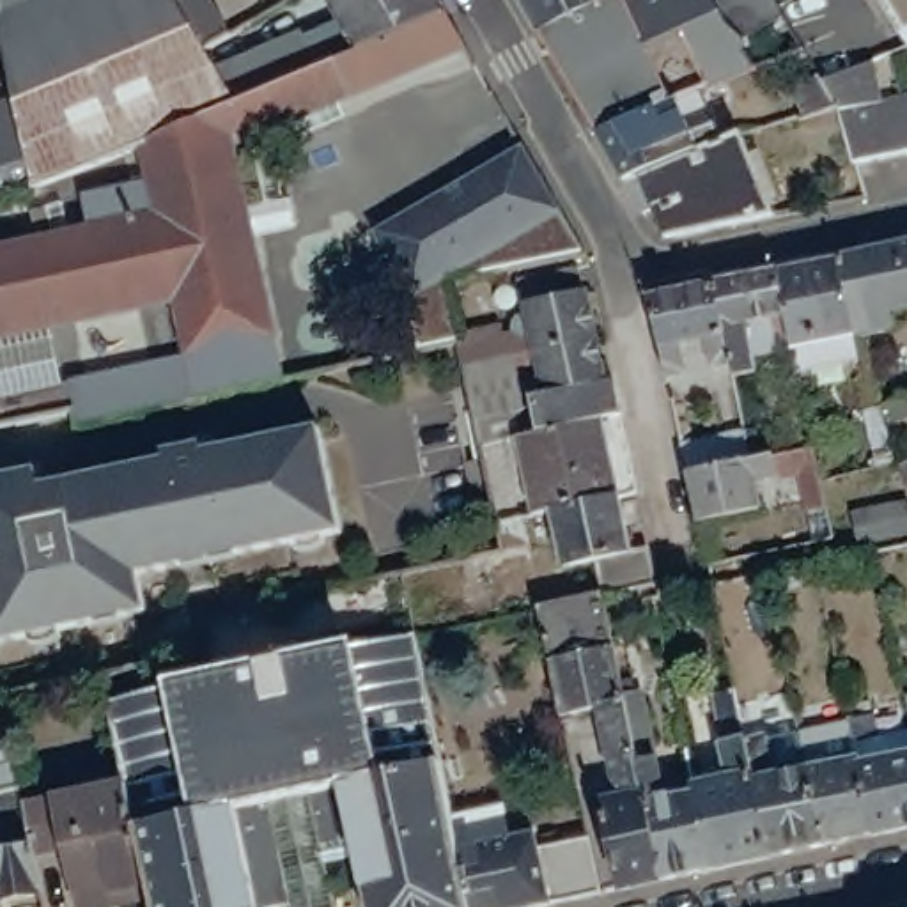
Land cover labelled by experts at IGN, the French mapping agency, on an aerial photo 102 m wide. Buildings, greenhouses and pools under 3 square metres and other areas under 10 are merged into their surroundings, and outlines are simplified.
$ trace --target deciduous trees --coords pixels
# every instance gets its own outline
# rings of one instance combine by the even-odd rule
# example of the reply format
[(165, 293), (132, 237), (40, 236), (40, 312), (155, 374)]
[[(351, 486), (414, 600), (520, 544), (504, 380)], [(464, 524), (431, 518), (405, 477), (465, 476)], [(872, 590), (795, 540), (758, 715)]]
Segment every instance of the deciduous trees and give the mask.
[(755, 85), (765, 96), (787, 92), (815, 78), (811, 60), (797, 57), (790, 32), (776, 32), (772, 25), (765, 25), (758, 35), (748, 39), (748, 60), (755, 64), (755, 71)]
[(142, 652), (142, 659), (135, 659), (138, 673), (142, 684), (156, 684), (156, 673), (177, 666), (174, 645), (156, 645)]
[(0, 687), (0, 748), (14, 772), (14, 787), (25, 787), (32, 787), (43, 772), (43, 744), (32, 733), (32, 723), (39, 723), (43, 716), (78, 723), (89, 712), (96, 726), (110, 730), (113, 677), (110, 670), (74, 670), (67, 677), (57, 677), (53, 684)]
[(496, 790), (496, 801), (503, 804), (503, 811), (521, 811), (531, 826), (574, 818), (585, 804), (585, 790), (581, 769), (567, 769), (563, 730), (556, 709), (535, 723), (528, 748), (521, 748), (510, 762), (492, 769), (489, 790)]
[(879, 549), (868, 546), (822, 549), (818, 556), (787, 560), (779, 567), (762, 570), (758, 578), (748, 578), (751, 627), (769, 645), (772, 666), (783, 680), (783, 694), (783, 702), (790, 705), (790, 719), (804, 716), (794, 634), (797, 599), (787, 588), (787, 578), (801, 578), (811, 588), (872, 592), (879, 609), (879, 648), (886, 655), (893, 687), (900, 687), (907, 687), (907, 588), (900, 578), (886, 574)]
[(847, 188), (840, 177), (840, 163), (818, 156), (808, 170), (790, 174), (787, 198), (779, 198), (776, 209), (808, 213), (840, 198), (840, 191)]
[(0, 184), (0, 216), (28, 213), (39, 191), (32, 191), (32, 184), (21, 177)]
[(344, 574), (329, 585), (329, 592), (368, 592), (379, 578), (379, 574), (379, 553), (372, 553), (368, 542), (340, 549), (337, 563)]
[(464, 379), (464, 368), (450, 347), (415, 347), (415, 322), (422, 315), (415, 294), (418, 283), (415, 266), (390, 266), (368, 266), (365, 280), (347, 287), (344, 294), (333, 294), (322, 312), (326, 329), (337, 337), (337, 351), (347, 351), (347, 358), (368, 358), (365, 368), (351, 368), (354, 390), (365, 393), (368, 404), (379, 411), (393, 411), (407, 400), (439, 400)]
[(524, 663), (542, 655), (549, 652), (549, 645), (542, 634), (524, 631), (521, 620), (510, 613), (468, 624), (464, 638), (471, 638), (475, 645), (478, 645), (485, 634), (500, 634), (507, 641), (507, 655), (496, 670), (503, 687), (521, 687)]
[(790, 347), (772, 347), (769, 354), (758, 354), (755, 372), (740, 376), (737, 383), (744, 422), (748, 436), (765, 436), (769, 454), (811, 446), (815, 457), (833, 461), (829, 475), (850, 475), (872, 464), (868, 432), (857, 415), (836, 404), (829, 400), (829, 390), (822, 383), (815, 383), (815, 376), (797, 368)]
[(670, 578), (663, 588), (655, 585), (634, 595), (624, 585), (616, 585), (613, 592), (595, 592), (595, 606), (609, 613), (609, 624), (602, 627), (609, 645), (648, 641), (652, 655), (659, 659), (673, 634), (687, 631), (691, 616), (709, 624), (719, 613), (709, 570), (694, 556), (687, 556), (677, 578)]
[(191, 592), (184, 570), (170, 570), (163, 578), (163, 592), (156, 595), (159, 606), (184, 606)]
[(500, 521), (492, 496), (485, 496), (468, 503), (461, 514), (446, 517), (436, 528), (422, 528), (411, 539), (397, 535), (393, 553), (404, 553), (407, 567), (496, 549)]
[(266, 174), (276, 181), (291, 181), (298, 170), (308, 170), (308, 117), (280, 106), (248, 113), (241, 120), (237, 149), (248, 159), (259, 159)]
[(691, 694), (712, 698), (716, 684), (719, 677), (712, 659), (702, 655), (680, 655), (670, 666), (666, 691), (655, 687), (648, 694), (652, 716), (666, 705), (687, 705)]
[(287, 599), (280, 581), (301, 574), (305, 567), (259, 567), (252, 574), (262, 585), (262, 599)]
[(864, 351), (872, 358), (872, 376), (879, 386), (907, 372), (907, 326), (889, 319), (889, 329), (868, 340)]
[(857, 702), (864, 698), (861, 663), (854, 655), (829, 655), (826, 684), (836, 698), (836, 709), (857, 709)]

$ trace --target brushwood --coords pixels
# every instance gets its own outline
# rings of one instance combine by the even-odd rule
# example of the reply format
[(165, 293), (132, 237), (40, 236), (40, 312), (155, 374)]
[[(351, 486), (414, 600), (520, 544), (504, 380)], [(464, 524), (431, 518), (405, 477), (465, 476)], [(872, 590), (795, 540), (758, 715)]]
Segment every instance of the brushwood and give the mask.
[(691, 616), (687, 631), (705, 638), (702, 655), (712, 659), (719, 677), (716, 684), (730, 691), (733, 680), (719, 613), (709, 624)]
[(655, 748), (666, 744), (670, 755), (691, 758), (691, 751), (702, 744), (694, 740), (687, 705), (666, 705), (652, 716), (648, 740)]
[(0, 648), (0, 687), (53, 684), (57, 677), (67, 677), (74, 670), (110, 670), (110, 645), (85, 631), (64, 634), (57, 648), (39, 655), (25, 655), (21, 645)]
[(198, 404), (237, 393), (262, 393), (273, 386), (301, 386), (329, 397), (347, 397), (354, 404), (368, 404), (365, 393), (354, 390), (351, 368), (365, 368), (368, 358), (347, 358), (329, 368), (283, 372), (216, 383), (209, 390), (191, 393), (191, 400)]
[(702, 517), (687, 528), (687, 542), (680, 546), (687, 556), (694, 556), (709, 570), (726, 549), (726, 535), (712, 517)]
[(135, 404), (96, 411), (71, 407), (57, 411), (74, 432), (142, 422), (145, 415)]
[(542, 634), (542, 620), (535, 613), (539, 602), (524, 592), (492, 609), (468, 609), (461, 599), (450, 599), (429, 578), (390, 581), (386, 588), (386, 613), (400, 631), (415, 631), (422, 638), (425, 663), (436, 670), (461, 670), (464, 655), (475, 645), (471, 638), (464, 638), (468, 624), (510, 613), (521, 620), (524, 631)]

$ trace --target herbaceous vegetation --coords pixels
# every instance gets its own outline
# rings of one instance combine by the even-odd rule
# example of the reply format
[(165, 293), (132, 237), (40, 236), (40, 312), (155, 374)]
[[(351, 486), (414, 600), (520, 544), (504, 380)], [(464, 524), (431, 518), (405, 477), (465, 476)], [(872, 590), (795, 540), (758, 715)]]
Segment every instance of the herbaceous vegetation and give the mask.
[(822, 549), (868, 546), (879, 549), (886, 574), (900, 578), (907, 588), (907, 531), (889, 539), (857, 539), (854, 524), (864, 521), (868, 507), (907, 503), (907, 457), (889, 457), (886, 468), (872, 464), (850, 475), (829, 475), (833, 461), (815, 457), (811, 475), (822, 492), (818, 507), (797, 496), (790, 503), (765, 503), (744, 514), (712, 517), (726, 535), (726, 549), (709, 570), (719, 613), (733, 680), (730, 691), (737, 716), (758, 694), (783, 694), (783, 680), (772, 666), (769, 645), (751, 627), (748, 578), (758, 578), (762, 570), (779, 567), (787, 560), (818, 556)]
[(78, 723), (43, 716), (39, 723), (32, 723), (32, 733), (43, 744), (43, 772), (32, 787), (25, 787), (28, 797), (39, 797), (57, 787), (113, 776), (117, 762), (110, 748), (110, 730), (96, 726), (89, 712)]
[(535, 723), (556, 709), (553, 702), (542, 702), (542, 655), (524, 663), (521, 687), (503, 687), (496, 670), (507, 655), (507, 641), (500, 634), (485, 634), (478, 645), (485, 694), (478, 702), (454, 702), (450, 694), (432, 698), (439, 744), (454, 740), (461, 748), (464, 765), (464, 779), (457, 783), (461, 790), (450, 797), (454, 808), (478, 808), (496, 801), (496, 790), (489, 790), (492, 769), (510, 762), (521, 748), (528, 748)]
[(879, 386), (872, 376), (872, 358), (864, 351), (868, 340), (857, 344), (857, 358), (847, 368), (847, 379), (840, 383), (836, 404), (857, 415), (864, 407), (879, 407), (886, 429), (893, 422), (907, 425), (907, 372)]
[(864, 698), (857, 702), (857, 709), (872, 709), (872, 719), (903, 719), (900, 687), (893, 687), (886, 655), (879, 648), (879, 609), (872, 592), (811, 588), (801, 578), (787, 578), (787, 588), (797, 599), (794, 634), (804, 716), (836, 716), (836, 709), (836, 698), (826, 684), (829, 655), (854, 655), (861, 663)]
[(553, 220), (492, 248), (482, 259), (485, 262), (567, 248), (560, 223)]
[(840, 163), (840, 177), (847, 188), (840, 191), (840, 198), (861, 195), (857, 181), (850, 159), (857, 152), (843, 124), (843, 106), (833, 103), (811, 113), (797, 113), (787, 92), (765, 96), (755, 85), (755, 71), (733, 85), (733, 96), (723, 99), (733, 113), (730, 128), (755, 128), (755, 138), (755, 152), (762, 152), (769, 181), (779, 198), (787, 198), (790, 174), (808, 170), (818, 156)]
[(500, 521), (496, 549), (407, 567), (379, 574), (379, 578), (386, 588), (390, 581), (429, 578), (450, 599), (461, 599), (468, 609), (492, 609), (524, 592), (539, 602), (595, 592), (592, 567), (567, 574), (556, 570), (560, 546), (556, 535), (546, 531), (546, 510), (539, 510)]
[(205, 563), (184, 570), (191, 592), (220, 588), (230, 574), (252, 574), (259, 567), (305, 567), (337, 563), (340, 549), (368, 542), (365, 528), (358, 528), (365, 521), (365, 507), (358, 492), (354, 450), (347, 436), (326, 436), (340, 492), (337, 517), (344, 521), (344, 531), (333, 542), (308, 556), (298, 556), (294, 549), (269, 549), (230, 563)]
[(652, 655), (648, 641), (609, 645), (613, 663), (631, 666), (638, 687), (648, 694), (655, 687), (666, 691), (670, 666), (680, 655), (702, 655), (705, 638), (687, 631), (673, 634), (659, 659)]
[(542, 843), (581, 836), (581, 822), (574, 818), (531, 826)]
[(415, 294), (422, 315), (415, 322), (415, 347), (450, 347), (468, 337), (468, 329), (464, 291), (478, 266), (468, 262), (461, 269), (450, 269), (436, 287), (418, 283)]
[(680, 386), (663, 390), (673, 454), (687, 443), (691, 429), (691, 404), (709, 404), (712, 393), (702, 386), (687, 393)]

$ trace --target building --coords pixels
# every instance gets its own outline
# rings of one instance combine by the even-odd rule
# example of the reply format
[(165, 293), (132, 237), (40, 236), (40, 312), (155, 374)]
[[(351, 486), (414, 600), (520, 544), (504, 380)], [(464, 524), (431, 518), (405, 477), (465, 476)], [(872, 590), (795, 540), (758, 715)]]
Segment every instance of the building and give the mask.
[(298, 556), (308, 556), (333, 542), (344, 531), (344, 521), (337, 517), (340, 492), (326, 436), (312, 422), (287, 422), (220, 439), (167, 439), (149, 454), (99, 461), (53, 475), (39, 475), (35, 464), (0, 468), (0, 648), (21, 645), (21, 627), (35, 624), (57, 624), (57, 631), (64, 634), (85, 631), (89, 616), (110, 616), (113, 609), (128, 606), (135, 599), (135, 585), (149, 588), (149, 581), (163, 578), (170, 570), (184, 570), (205, 563), (230, 563), (269, 549), (294, 549)]
[(450, 184), (379, 220), (372, 227), (376, 244), (397, 244), (390, 266), (415, 266), (418, 283), (436, 287), (450, 269), (461, 269), (468, 262), (478, 266), (485, 262), (482, 259), (492, 248), (553, 220), (549, 202), (556, 191), (542, 163), (521, 138), (517, 145), (464, 170)]
[(857, 344), (868, 340), (889, 329), (889, 319), (907, 326), (907, 234), (847, 244), (840, 252), (815, 252), (797, 259), (723, 269), (709, 280), (638, 287), (641, 308), (652, 344), (655, 386), (663, 390), (680, 386), (687, 393), (702, 386), (712, 393), (730, 379), (737, 383), (740, 376), (755, 372), (758, 354), (748, 351), (748, 322), (755, 315), (776, 315), (772, 347), (790, 347), (808, 337), (829, 337), (843, 329)]
[(889, 539), (907, 531), (907, 503), (868, 507), (864, 521), (854, 524), (857, 539)]
[(811, 113), (833, 103), (843, 106), (843, 124), (857, 152), (850, 159), (857, 181), (864, 181), (868, 170), (879, 163), (907, 159), (907, 85), (893, 96), (882, 96), (886, 85), (879, 85), (875, 60), (815, 78), (787, 92), (797, 113)]
[(616, 500), (641, 492), (606, 358), (613, 322), (606, 319), (602, 294), (595, 287), (570, 287), (539, 298), (517, 294), (514, 308), (503, 308), (496, 315), (496, 326), (468, 329), (468, 337), (450, 347), (464, 368), (464, 379), (475, 439), (517, 439), (517, 478), (521, 489), (535, 496), (539, 510), (546, 510), (546, 531), (556, 535), (560, 546), (556, 570), (567, 574), (592, 567), (595, 592), (613, 592), (616, 585), (624, 585), (634, 595), (655, 585), (655, 539), (645, 535), (645, 546), (631, 546), (634, 528), (620, 521), (616, 507)]
[(758, 35), (765, 25), (772, 25), (776, 32), (790, 32), (790, 0), (524, 0), (542, 43), (549, 46), (549, 57), (542, 57), (542, 64), (549, 67), (549, 78), (567, 106), (567, 128), (595, 128), (602, 152), (624, 170), (624, 184), (641, 181), (648, 198), (641, 205), (641, 216), (655, 216), (666, 244), (740, 237), (748, 227), (769, 223), (776, 209), (758, 209), (762, 195), (744, 163), (751, 149), (744, 145), (744, 138), (755, 138), (755, 128), (730, 128), (733, 113), (723, 99), (733, 96), (733, 85), (755, 71), (755, 64), (748, 60), (748, 39)]
[[(326, 11), (333, 11), (326, 25), (280, 35), (234, 60), (213, 64), (213, 50), (220, 50), (230, 39), (241, 39), (237, 28), (227, 28), (227, 14), (220, 14), (216, 0), (0, 0), (0, 184), (21, 177), (32, 184), (32, 191), (39, 191), (128, 159), (138, 163), (138, 177), (85, 191), (85, 216), (74, 227), (0, 241), (0, 397), (71, 397), (71, 407), (96, 411), (135, 404), (145, 415), (198, 404), (191, 400), (191, 393), (209, 390), (216, 383), (283, 372), (287, 354), (280, 312), (266, 312), (248, 223), (252, 205), (259, 202), (259, 159), (248, 159), (237, 149), (241, 120), (248, 113), (280, 106), (308, 117), (344, 96), (372, 89), (446, 53), (461, 53), (454, 25), (439, 14), (439, 0), (322, 0)], [(181, 347), (177, 354), (89, 372), (74, 379), (60, 376), (64, 361), (81, 361), (74, 333), (78, 319), (113, 312), (142, 315), (145, 308), (163, 305), (170, 344)]]
[(177, 666), (156, 673), (156, 684), (142, 684), (138, 673), (113, 677), (110, 730), (110, 748), (117, 762), (113, 776), (57, 787), (39, 797), (28, 797), (25, 787), (14, 787), (14, 772), (0, 748), (0, 907), (4, 907), (4, 896), (11, 893), (32, 893), (32, 900), (46, 896), (46, 868), (60, 872), (64, 889), (74, 889), (74, 907), (333, 907), (322, 889), (326, 864), (333, 861), (351, 861), (354, 879), (365, 882), (365, 907), (567, 907), (602, 896), (652, 896), (659, 903), (663, 893), (687, 886), (694, 879), (716, 879), (737, 868), (762, 868), (776, 861), (801, 861), (808, 854), (840, 850), (850, 843), (893, 843), (907, 850), (907, 687), (900, 687), (903, 719), (872, 719), (872, 709), (857, 709), (836, 709), (836, 716), (804, 716), (790, 719), (740, 723), (737, 716), (730, 691), (716, 684), (712, 698), (705, 740), (716, 751), (712, 772), (687, 776), (687, 783), (666, 790), (659, 776), (666, 755), (655, 755), (655, 748), (648, 740), (652, 716), (648, 694), (638, 687), (631, 666), (613, 663), (609, 645), (602, 627), (609, 624), (609, 613), (595, 606), (595, 592), (539, 602), (535, 613), (542, 620), (542, 634), (549, 645), (549, 652), (542, 655), (542, 702), (553, 702), (556, 709), (563, 730), (570, 723), (588, 719), (599, 748), (595, 762), (609, 776), (609, 787), (599, 790), (599, 808), (592, 808), (595, 836), (581, 836), (542, 843), (531, 826), (521, 811), (503, 811), (503, 804), (496, 801), (478, 808), (454, 808), (450, 797), (461, 790), (457, 783), (464, 779), (464, 765), (461, 748), (454, 740), (439, 744), (432, 698), (418, 694), (422, 687), (429, 687), (425, 663), (422, 638), (415, 631), (400, 631), (372, 638), (326, 634), (276, 645), (259, 655), (227, 655)]
[(875, 11), (907, 43), (907, 0), (872, 0)]
[(815, 457), (811, 446), (769, 454), (765, 436), (748, 436), (744, 422), (737, 422), (733, 432), (719, 432), (719, 425), (691, 429), (687, 443), (673, 454), (677, 464), (691, 468), (687, 492), (694, 514), (684, 514), (687, 528), (702, 517), (712, 517), (744, 514), (765, 503), (790, 503), (797, 496), (818, 507), (822, 492), (811, 475)]

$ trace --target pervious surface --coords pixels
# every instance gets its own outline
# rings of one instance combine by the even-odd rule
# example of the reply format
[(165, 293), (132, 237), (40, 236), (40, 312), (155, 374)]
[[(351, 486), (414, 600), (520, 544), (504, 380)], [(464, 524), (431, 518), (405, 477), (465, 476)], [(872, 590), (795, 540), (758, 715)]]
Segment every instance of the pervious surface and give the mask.
[(616, 500), (616, 507), (620, 521), (634, 528), (631, 546), (645, 546), (645, 535), (655, 539), (655, 585), (663, 588), (670, 578), (677, 578), (687, 556), (680, 546), (687, 542), (687, 528), (684, 514), (694, 514), (687, 492), (691, 468), (677, 464), (673, 454), (663, 390), (655, 386), (652, 344), (641, 308), (638, 315), (613, 322), (606, 358), (641, 492)]

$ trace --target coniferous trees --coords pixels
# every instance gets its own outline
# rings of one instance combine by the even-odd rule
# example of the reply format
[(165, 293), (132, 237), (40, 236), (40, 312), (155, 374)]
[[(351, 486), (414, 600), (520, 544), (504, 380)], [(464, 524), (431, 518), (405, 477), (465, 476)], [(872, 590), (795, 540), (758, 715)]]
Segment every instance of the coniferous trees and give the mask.
[(429, 687), (422, 687), (418, 694), (432, 698), (450, 694), (454, 702), (478, 702), (485, 694), (478, 645), (475, 645), (464, 655), (461, 670), (436, 670), (425, 663)]

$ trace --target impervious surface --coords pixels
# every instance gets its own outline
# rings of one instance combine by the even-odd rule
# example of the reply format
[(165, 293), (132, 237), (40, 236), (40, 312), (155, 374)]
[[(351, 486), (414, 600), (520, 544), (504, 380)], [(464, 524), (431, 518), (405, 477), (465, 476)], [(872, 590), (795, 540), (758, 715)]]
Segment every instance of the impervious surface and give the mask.
[(822, 383), (829, 390), (829, 400), (836, 404), (840, 383), (847, 379), (847, 368), (857, 358), (857, 344), (843, 329), (829, 337), (808, 337), (790, 347), (797, 368), (815, 376), (815, 383)]
[(220, 50), (213, 50), (213, 64), (234, 60), (280, 35), (326, 25), (333, 11), (326, 11), (322, 0), (216, 0), (220, 14), (227, 14), (227, 28), (237, 28), (241, 39), (230, 39)]
[(74, 907), (74, 889), (64, 889), (60, 872), (46, 868), (46, 896), (32, 900), (32, 893), (11, 893), (4, 896), (4, 907)]
[(737, 716), (740, 723), (790, 719), (790, 705), (783, 702), (783, 694), (758, 694)]
[(581, 836), (595, 836), (592, 808), (599, 808), (599, 790), (609, 787), (609, 776), (595, 762), (599, 748), (588, 719), (570, 723), (563, 730), (567, 769), (581, 769), (585, 790), (585, 804), (574, 818), (581, 822)]
[(85, 631), (110, 645), (110, 670), (113, 677), (138, 673), (135, 659), (142, 659), (142, 652), (156, 645), (174, 645), (177, 666), (227, 655), (259, 655), (276, 645), (326, 634), (372, 638), (400, 631), (386, 613), (386, 588), (379, 578), (368, 592), (329, 592), (329, 585), (344, 574), (337, 563), (305, 567), (301, 574), (280, 581), (287, 599), (262, 599), (262, 585), (252, 574), (230, 574), (220, 588), (191, 592), (184, 606), (159, 606), (156, 595), (163, 592), (163, 578), (149, 581), (149, 588), (135, 585), (135, 599), (128, 606), (113, 609), (110, 616), (89, 616)]
[(28, 213), (0, 216), (0, 241), (74, 227), (85, 216), (85, 191), (138, 177), (138, 163), (128, 159), (39, 191)]
[(691, 751), (691, 758), (670, 755), (666, 744), (655, 748), (655, 755), (666, 755), (659, 776), (666, 790), (687, 783), (687, 776), (712, 772), (716, 751), (705, 740), (712, 698), (691, 694), (687, 705), (694, 740), (702, 744)]
[(322, 889), (333, 907), (365, 907), (365, 882), (354, 879), (351, 861), (333, 861), (326, 864)]
[(762, 868), (737, 868), (716, 879), (694, 879), (687, 886), (663, 893), (659, 903), (652, 896), (602, 896), (567, 907), (907, 907), (907, 850), (893, 843), (850, 843), (840, 850), (808, 854), (801, 861), (776, 861)]
[(864, 407), (857, 415), (868, 432), (872, 464), (886, 468), (889, 457), (907, 457), (907, 425), (893, 422), (886, 429), (879, 407)]
[(308, 170), (298, 170), (291, 181), (276, 181), (266, 174), (259, 159), (259, 202), (252, 205), (248, 223), (266, 312), (280, 312), (287, 354), (283, 372), (329, 368), (347, 358), (347, 351), (337, 351), (337, 337), (326, 329), (322, 312), (333, 294), (344, 294), (347, 287), (365, 280), (368, 266), (390, 266), (397, 244), (376, 244), (372, 227), (379, 220), (450, 184), (464, 170), (517, 145), (521, 138), (542, 163), (556, 191), (549, 202), (553, 220), (560, 223), (567, 248), (485, 262), (478, 266), (464, 291), (468, 329), (496, 326), (496, 315), (503, 308), (514, 308), (517, 294), (539, 298), (570, 287), (595, 287), (602, 294), (606, 319), (613, 322), (638, 315), (641, 308), (638, 287), (709, 280), (723, 269), (797, 259), (815, 252), (840, 252), (847, 244), (907, 234), (907, 159), (879, 163), (868, 170), (864, 181), (857, 181), (861, 195), (840, 198), (808, 213), (776, 209), (769, 223), (748, 227), (740, 237), (666, 244), (655, 216), (641, 216), (641, 205), (648, 198), (641, 181), (624, 184), (624, 170), (602, 152), (595, 128), (567, 128), (567, 106), (549, 78), (549, 67), (542, 64), (542, 57), (549, 57), (549, 46), (542, 43), (524, 0), (439, 0), (439, 14), (454, 25), (461, 53), (446, 53), (372, 89), (344, 96), (308, 117)]
[(755, 315), (748, 322), (748, 351), (758, 354), (769, 354), (772, 347), (776, 315)]
[(709, 404), (691, 404), (691, 429), (719, 425), (719, 432), (733, 432), (737, 422), (744, 422), (737, 383), (730, 379), (712, 393)]
[(815, 78), (875, 60), (879, 85), (886, 85), (882, 96), (893, 96), (907, 85), (907, 43), (875, 11), (872, 0), (790, 0), (790, 32), (797, 57), (811, 60)]
[(64, 634), (57, 631), (57, 624), (35, 624), (21, 627), (21, 645), (25, 655), (39, 655), (57, 648)]
[(354, 404), (347, 397), (329, 397), (301, 386), (273, 386), (262, 393), (237, 393), (198, 404), (145, 415), (142, 422), (74, 432), (57, 411), (71, 407), (71, 397), (0, 397), (0, 468), (35, 464), (39, 475), (53, 475), (99, 461), (149, 454), (167, 439), (220, 439), (287, 422), (312, 422), (326, 436), (347, 436), (354, 450), (358, 492), (365, 507), (365, 521), (358, 528), (365, 528), (368, 542), (372, 553), (379, 553), (379, 574), (407, 567), (404, 553), (393, 553), (397, 535), (411, 539), (422, 528), (436, 528), (446, 517), (461, 514), (468, 503), (485, 496), (492, 496), (500, 521), (539, 510), (535, 496), (521, 489), (517, 478), (517, 439), (475, 439), (464, 379), (439, 400), (407, 400), (393, 411), (379, 411), (368, 404)]
[(142, 315), (113, 312), (78, 319), (74, 333), (81, 361), (64, 361), (60, 376), (74, 379), (89, 372), (177, 354), (181, 347), (170, 344), (163, 305), (145, 308)]
[(744, 145), (751, 149), (744, 163), (762, 195), (758, 209), (776, 209), (779, 198), (769, 181), (762, 152), (755, 152), (755, 138), (744, 138)]

